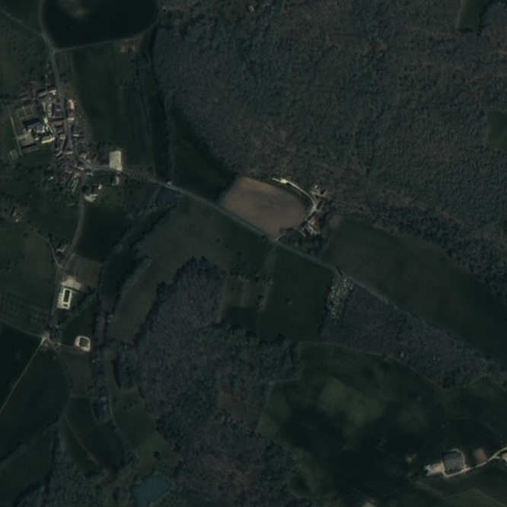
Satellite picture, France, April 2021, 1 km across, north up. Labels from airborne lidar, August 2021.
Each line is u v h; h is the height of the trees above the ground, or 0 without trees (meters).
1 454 0
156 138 0
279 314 0
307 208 9
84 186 0
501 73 12
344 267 0
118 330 0
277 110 10
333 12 16
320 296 0
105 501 20
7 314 7
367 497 0
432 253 0
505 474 0
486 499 0
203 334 16
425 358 13
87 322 0
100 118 0
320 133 12
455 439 0
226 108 15
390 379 0
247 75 14
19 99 11
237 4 7
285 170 12
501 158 7
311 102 12
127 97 0
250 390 21
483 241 14
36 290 0
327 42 8
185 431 23
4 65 0
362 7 10
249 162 16
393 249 0
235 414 0
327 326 9
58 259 7
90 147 7
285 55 12
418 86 15
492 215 8
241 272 9
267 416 0
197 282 19
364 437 0
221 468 20
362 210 11
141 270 21
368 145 8
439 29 17
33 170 7
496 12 18
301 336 0
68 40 0
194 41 15
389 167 8
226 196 14
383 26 10
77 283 0
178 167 0
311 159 11
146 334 25
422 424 0
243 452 24
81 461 0
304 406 0
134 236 0
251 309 0
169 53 18
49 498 17
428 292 0
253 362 16
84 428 0
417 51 11
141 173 7
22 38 0
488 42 11
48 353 0
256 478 10
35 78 8
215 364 15
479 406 0
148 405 8
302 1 0
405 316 21
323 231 14
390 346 13
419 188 6
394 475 0
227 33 10
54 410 0
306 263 0
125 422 0
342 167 10
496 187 9
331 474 0
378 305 10
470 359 19
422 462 0
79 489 23
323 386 0
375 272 0
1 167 18
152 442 0
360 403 0
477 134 7
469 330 0
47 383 0
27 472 0
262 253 0
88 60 0
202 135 21
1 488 0
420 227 9
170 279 0
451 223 8
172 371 18
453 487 0
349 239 0
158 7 7
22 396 0
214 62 15
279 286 0
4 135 0
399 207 10
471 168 7
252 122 14
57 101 9
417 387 0
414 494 0
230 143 15
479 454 0
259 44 13
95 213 0
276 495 25
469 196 7
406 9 12
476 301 0
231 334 18
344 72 16
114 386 0
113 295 0
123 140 0
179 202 7
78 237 0
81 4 0
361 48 14
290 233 8
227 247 7
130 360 23
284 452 14
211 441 21
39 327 7
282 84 15
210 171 0
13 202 13
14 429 0
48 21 0
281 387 0
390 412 0
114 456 0
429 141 8
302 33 7
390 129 10
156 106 0
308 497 0
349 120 16
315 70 11
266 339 0
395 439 0
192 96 19
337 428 0
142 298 0
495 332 0
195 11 12
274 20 13
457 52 15
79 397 0
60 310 0
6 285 0
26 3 0
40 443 0
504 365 0
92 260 0
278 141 12
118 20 0
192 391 24
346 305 13
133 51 9
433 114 10
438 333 21
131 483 0
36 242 0
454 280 0
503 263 12
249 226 0
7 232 0
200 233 0
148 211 14
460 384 16
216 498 11
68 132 0
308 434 0
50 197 6
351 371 0
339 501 0
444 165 7
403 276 0
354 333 11
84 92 0
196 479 24
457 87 8
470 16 0
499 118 0
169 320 28
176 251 0
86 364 0
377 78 7
